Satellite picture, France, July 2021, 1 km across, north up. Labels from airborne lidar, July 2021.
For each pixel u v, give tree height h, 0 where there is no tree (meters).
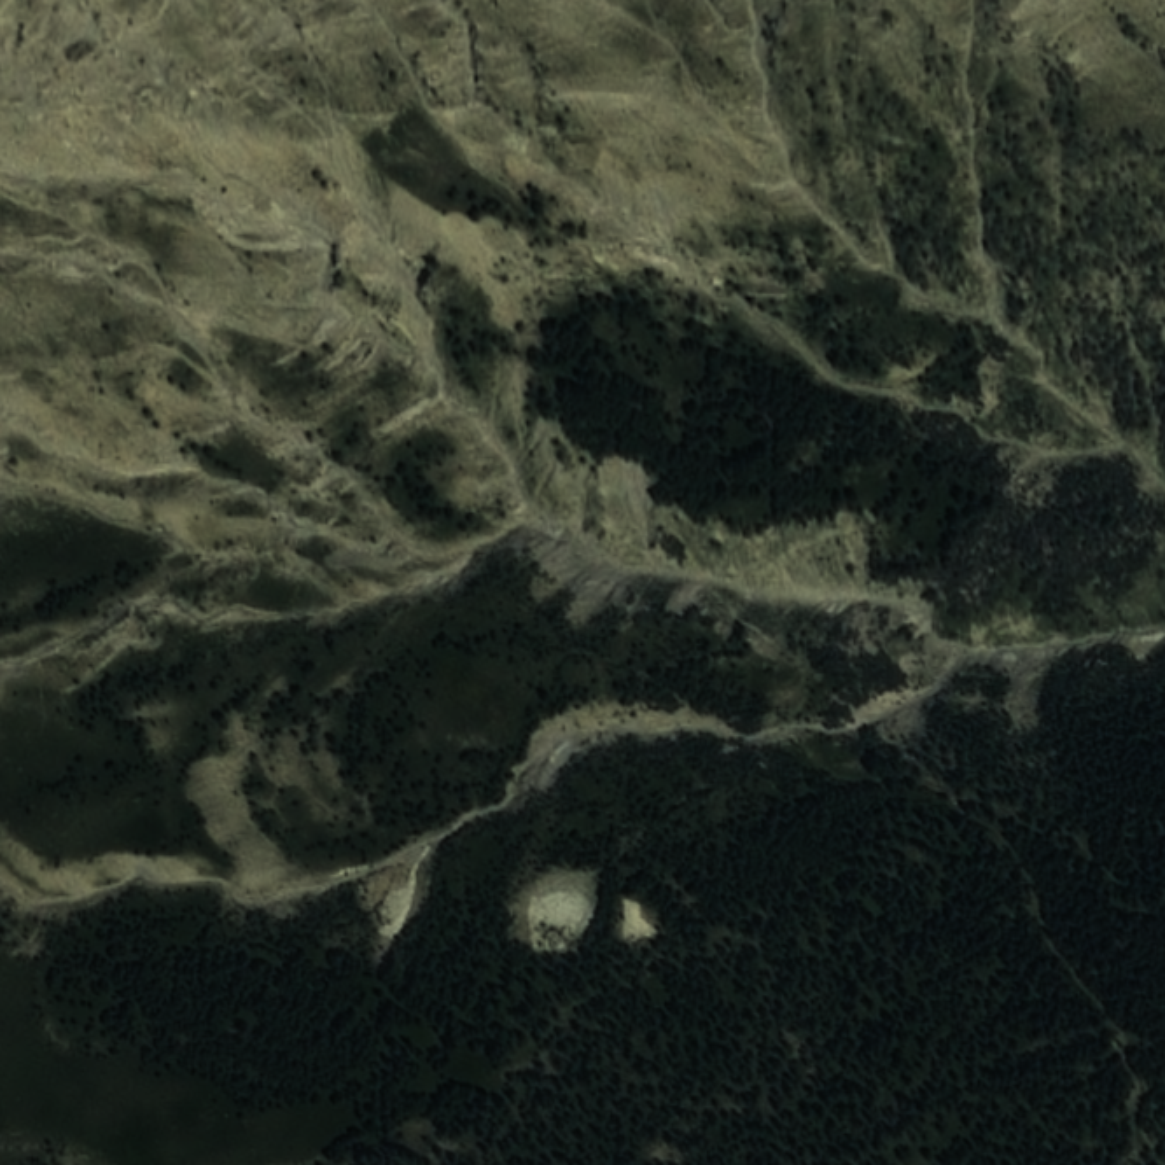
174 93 0
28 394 0
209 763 0
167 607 0
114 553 0
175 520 0
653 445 20
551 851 9
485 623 0
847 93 8
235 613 0
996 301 0
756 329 0
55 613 7
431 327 0
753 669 0
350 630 7
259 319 0
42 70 0
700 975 22
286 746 0
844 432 15
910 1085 19
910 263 10
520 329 12
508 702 0
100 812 0
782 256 15
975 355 6
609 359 25
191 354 0
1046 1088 8
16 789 0
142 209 0
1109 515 12
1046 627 0
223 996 13
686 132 0
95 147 0
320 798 0
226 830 0
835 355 17
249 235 0
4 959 0
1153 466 0
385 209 0
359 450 0
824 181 0
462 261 0
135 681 11
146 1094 0
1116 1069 17
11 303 0
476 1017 11
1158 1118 12
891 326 0
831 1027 22
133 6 0
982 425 0
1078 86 6
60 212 0
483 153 0
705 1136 6
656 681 8
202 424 0
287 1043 21
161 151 0
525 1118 14
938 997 10
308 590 0
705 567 0
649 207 0
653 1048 19
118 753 0
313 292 0
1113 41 0
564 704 7
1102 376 13
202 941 9
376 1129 18
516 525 0
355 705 9
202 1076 9
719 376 14
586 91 0
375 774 0
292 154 0
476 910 10
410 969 12
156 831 0
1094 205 10
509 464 0
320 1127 0
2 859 0
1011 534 11
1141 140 5
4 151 0
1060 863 19
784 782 9
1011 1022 17
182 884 0
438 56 0
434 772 7
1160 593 0
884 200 9
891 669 7
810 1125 13
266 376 0
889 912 27
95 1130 0
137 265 0
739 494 22
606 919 8
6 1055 0
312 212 0
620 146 0
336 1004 18
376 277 0
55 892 0
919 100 0
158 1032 11
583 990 23
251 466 0
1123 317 6
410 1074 11
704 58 0
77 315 0
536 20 0
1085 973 20
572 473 0
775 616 0
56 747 0
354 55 0
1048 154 0
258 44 0
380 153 0
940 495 0
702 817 6
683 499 23
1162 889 20
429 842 0
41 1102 0
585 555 0
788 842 19
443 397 0
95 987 11
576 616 0
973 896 14
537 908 0
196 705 0
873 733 7
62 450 0
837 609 0
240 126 0
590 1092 13
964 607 6
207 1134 0
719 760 6
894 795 14
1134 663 7
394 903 0
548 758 0
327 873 0
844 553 0
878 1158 21
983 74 0
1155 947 18
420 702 0
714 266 0
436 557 0
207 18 0
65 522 0
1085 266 8
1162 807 20
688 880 9
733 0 0
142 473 0
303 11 0
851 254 0
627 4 0
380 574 0
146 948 9
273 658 0
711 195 0
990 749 18
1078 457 0
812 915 16
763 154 0
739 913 22
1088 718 17
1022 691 0
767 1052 11
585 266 0
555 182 0
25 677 0
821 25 0
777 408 17
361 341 0
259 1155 0
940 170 0
